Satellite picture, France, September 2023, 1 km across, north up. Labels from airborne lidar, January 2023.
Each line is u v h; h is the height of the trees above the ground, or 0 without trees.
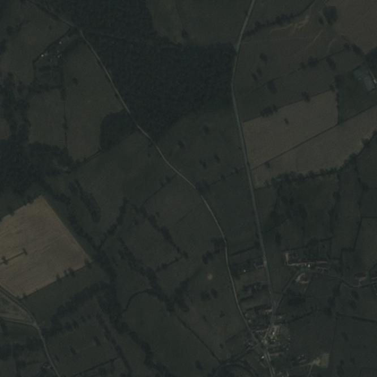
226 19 0
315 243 13
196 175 0
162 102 18
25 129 13
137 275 0
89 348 0
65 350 0
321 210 0
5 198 0
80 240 0
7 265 0
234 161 0
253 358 0
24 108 13
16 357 13
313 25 0
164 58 18
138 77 21
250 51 0
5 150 26
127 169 0
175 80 23
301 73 0
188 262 0
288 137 0
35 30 0
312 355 0
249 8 0
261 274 0
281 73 0
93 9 26
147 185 0
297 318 8
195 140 0
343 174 0
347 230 0
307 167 0
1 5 21
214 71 10
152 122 17
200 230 0
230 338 0
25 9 0
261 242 0
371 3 0
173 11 0
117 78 14
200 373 0
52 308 0
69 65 0
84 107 0
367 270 0
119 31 17
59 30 0
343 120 0
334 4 0
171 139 0
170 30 0
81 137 0
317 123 0
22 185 17
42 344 10
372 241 0
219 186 0
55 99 0
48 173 12
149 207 0
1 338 0
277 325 0
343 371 16
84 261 0
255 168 0
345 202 0
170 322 0
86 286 0
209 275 0
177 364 0
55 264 0
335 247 0
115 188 0
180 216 0
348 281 0
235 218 0
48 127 0
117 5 13
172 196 0
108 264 7
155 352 0
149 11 17
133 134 0
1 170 26
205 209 0
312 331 0
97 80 0
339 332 0
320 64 0
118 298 15
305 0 0
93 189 0
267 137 0
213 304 0
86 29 21
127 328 16
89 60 0
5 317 0
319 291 0
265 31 0
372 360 0
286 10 0
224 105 0
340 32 0
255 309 8
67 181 0
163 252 0
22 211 0
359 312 0
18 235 0
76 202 0
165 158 0
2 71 0
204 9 0
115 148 0
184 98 25
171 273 0
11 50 0
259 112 0
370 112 0
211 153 0
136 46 17
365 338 0
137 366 0
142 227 0
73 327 7
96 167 0
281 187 25
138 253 0
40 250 0
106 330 16
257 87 0
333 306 14
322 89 0
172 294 0
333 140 0
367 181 0
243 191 0
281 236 7
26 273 0
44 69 13
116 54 23
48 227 0
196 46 0
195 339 0
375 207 0
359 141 0
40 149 16
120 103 0
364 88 0
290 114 0
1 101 0
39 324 0
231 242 0
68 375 0
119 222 14
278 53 0
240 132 0
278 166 0
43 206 0
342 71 0
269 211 0
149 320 0
